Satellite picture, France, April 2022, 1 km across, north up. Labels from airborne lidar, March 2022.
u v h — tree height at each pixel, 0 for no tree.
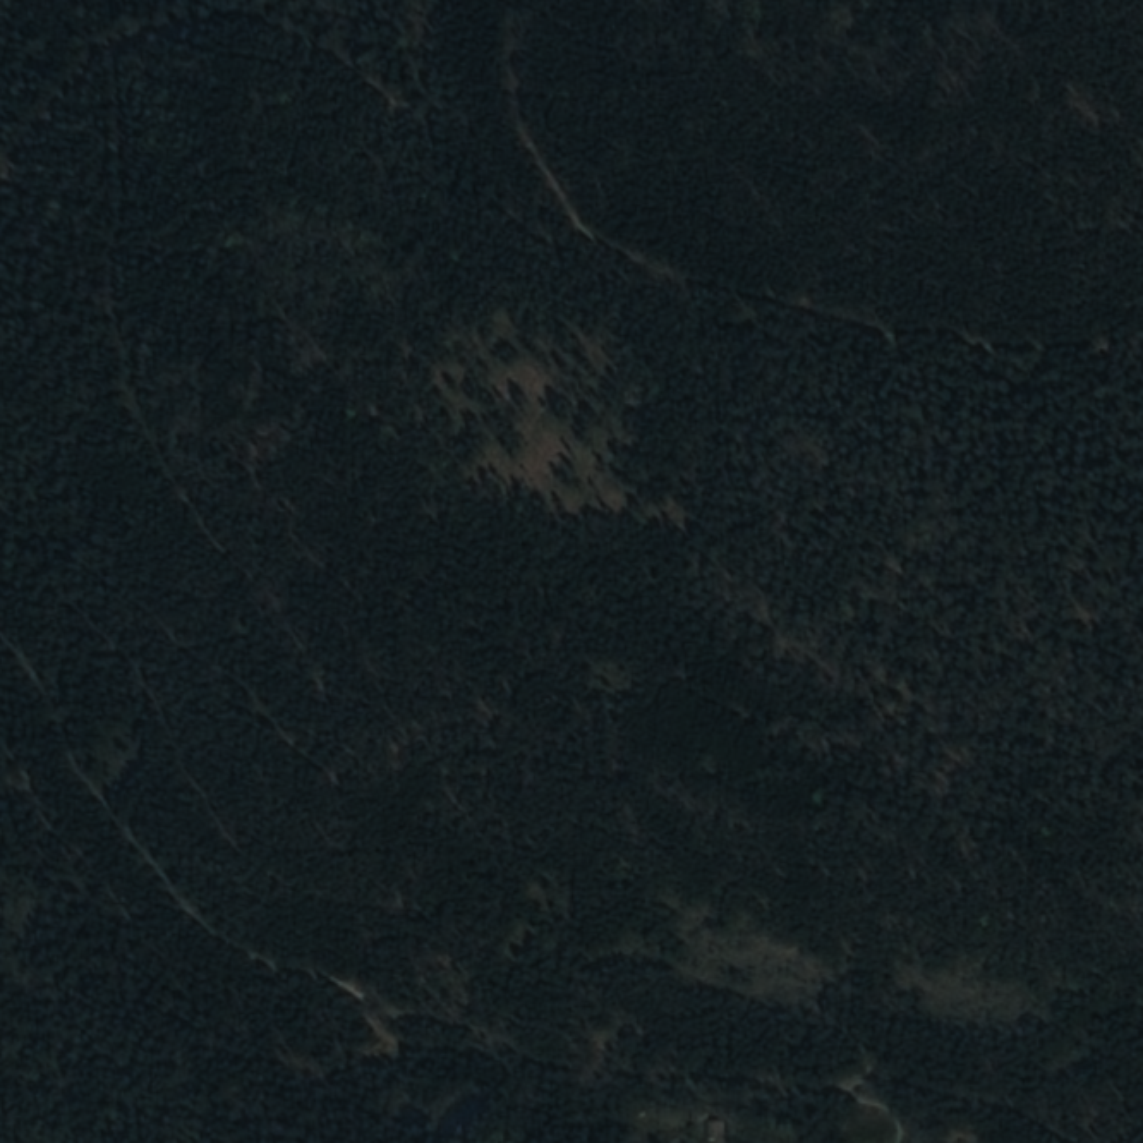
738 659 14
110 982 18
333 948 17
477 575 23
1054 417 25
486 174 23
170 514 18
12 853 24
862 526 23
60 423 13
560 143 18
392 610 25
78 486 14
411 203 24
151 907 22
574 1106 24
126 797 22
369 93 21
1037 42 19
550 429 0
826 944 29
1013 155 23
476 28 19
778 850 21
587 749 29
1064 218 17
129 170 17
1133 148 22
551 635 28
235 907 20
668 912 22
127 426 16
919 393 22
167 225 15
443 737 23
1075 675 24
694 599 21
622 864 19
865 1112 9
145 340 9
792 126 19
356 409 25
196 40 8
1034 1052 21
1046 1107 21
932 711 22
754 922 24
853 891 23
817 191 22
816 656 23
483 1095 17
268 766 20
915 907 23
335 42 32
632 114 21
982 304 22
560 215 21
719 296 22
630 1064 29
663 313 19
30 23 16
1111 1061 24
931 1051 25
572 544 25
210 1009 25
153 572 20
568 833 24
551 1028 17
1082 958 19
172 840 21
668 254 21
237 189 20
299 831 24
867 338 24
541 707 23
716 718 11
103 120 14
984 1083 22
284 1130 23
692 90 20
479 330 27
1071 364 29
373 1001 21
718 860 12
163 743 21
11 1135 24
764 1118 20
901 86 16
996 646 29
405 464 23
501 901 23
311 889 16
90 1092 28
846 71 21
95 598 25
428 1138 15
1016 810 28
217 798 18
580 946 28
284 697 21
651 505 24
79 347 11
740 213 16
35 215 8
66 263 19
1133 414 25
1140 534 27
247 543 20
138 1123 29
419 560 25
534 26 18
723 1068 26
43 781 24
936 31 14
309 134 19
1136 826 20
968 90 19
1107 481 30
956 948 21
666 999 23
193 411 12
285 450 22
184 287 15
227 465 26
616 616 27
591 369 27
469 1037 17
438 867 27
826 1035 24
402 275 23
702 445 20
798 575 25
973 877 24
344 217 16
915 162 18
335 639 21
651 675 17
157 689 25
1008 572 30
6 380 13
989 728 31
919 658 27
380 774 19
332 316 21
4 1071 21
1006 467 27
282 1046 19
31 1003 22
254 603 22
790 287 22
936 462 29
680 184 16
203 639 19
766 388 29
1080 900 26
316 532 21
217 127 18
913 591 19
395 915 24
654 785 20
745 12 23
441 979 26
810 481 29
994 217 18
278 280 20
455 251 26
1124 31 16
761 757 12
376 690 22
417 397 23
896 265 21
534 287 25
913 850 24
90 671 21
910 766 30
